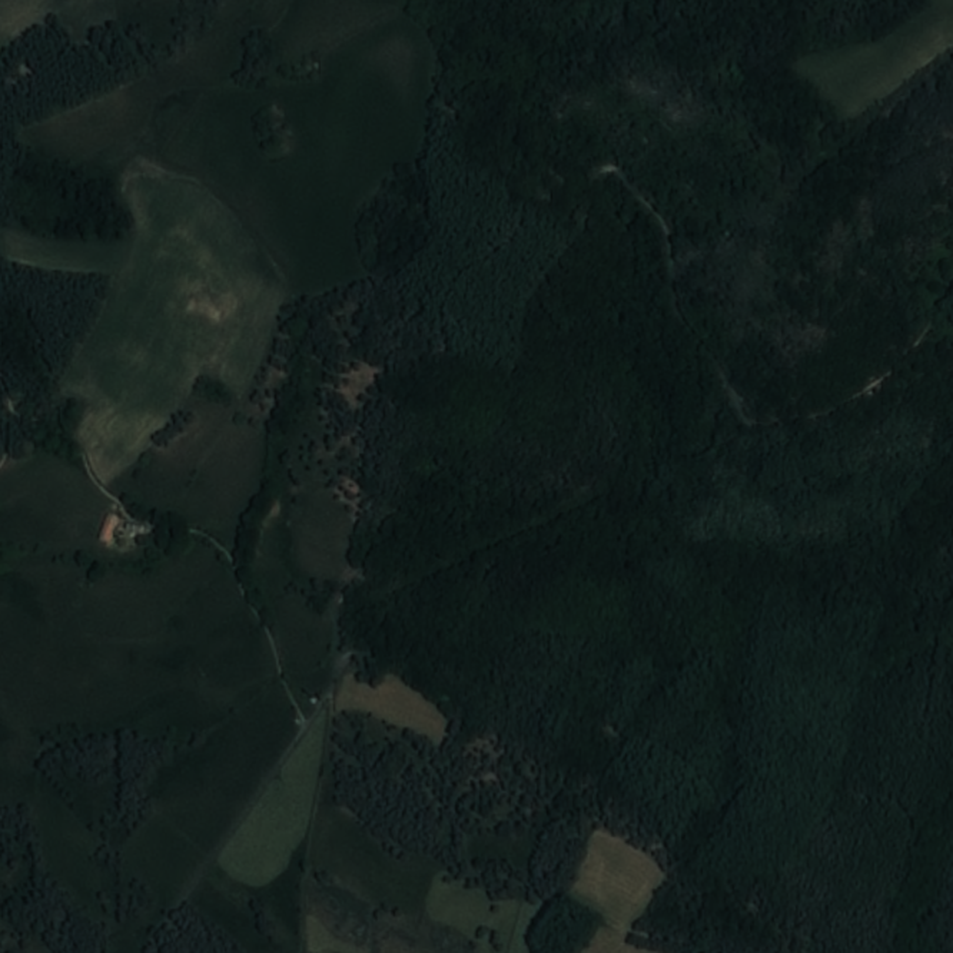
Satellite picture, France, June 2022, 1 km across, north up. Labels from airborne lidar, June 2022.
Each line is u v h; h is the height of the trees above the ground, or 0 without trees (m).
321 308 15
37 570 0
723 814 17
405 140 0
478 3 26
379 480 20
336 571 0
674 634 23
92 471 0
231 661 0
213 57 0
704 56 23
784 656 21
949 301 24
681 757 20
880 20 9
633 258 15
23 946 14
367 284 20
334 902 0
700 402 11
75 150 0
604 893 0
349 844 0
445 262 29
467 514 16
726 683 24
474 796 17
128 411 0
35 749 0
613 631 19
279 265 0
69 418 14
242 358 0
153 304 0
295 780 0
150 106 0
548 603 22
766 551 18
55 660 0
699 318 8
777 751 25
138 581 0
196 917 18
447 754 17
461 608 16
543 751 16
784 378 7
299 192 0
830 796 20
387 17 0
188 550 0
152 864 0
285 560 0
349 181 0
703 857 29
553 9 21
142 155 0
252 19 0
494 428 19
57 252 0
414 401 17
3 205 25
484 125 23
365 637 14
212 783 0
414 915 0
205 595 0
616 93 6
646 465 18
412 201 11
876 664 23
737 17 18
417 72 0
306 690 0
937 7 0
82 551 13
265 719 0
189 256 0
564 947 25
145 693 0
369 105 0
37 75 19
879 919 16
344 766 15
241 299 0
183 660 0
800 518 18
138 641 0
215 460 0
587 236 19
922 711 17
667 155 8
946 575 16
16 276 20
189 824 0
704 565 17
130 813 12
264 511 21
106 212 18
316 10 0
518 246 26
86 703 0
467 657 15
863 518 12
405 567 19
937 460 11
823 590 21
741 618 22
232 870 0
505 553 19
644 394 18
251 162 0
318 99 0
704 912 14
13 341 16
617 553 25
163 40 0
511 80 12
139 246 0
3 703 0
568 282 26
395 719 0
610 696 19
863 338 7
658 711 17
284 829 0
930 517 26
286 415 19
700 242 8
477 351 26
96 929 15
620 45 13
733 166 6
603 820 15
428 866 0
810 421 11
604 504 15
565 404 24
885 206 12
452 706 18
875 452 6
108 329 0
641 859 0
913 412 11
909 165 13
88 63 21
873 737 16
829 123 10
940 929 26
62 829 0
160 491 0
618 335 26
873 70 0
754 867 24
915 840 13
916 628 17
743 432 15
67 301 22
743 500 8
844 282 13
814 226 8
